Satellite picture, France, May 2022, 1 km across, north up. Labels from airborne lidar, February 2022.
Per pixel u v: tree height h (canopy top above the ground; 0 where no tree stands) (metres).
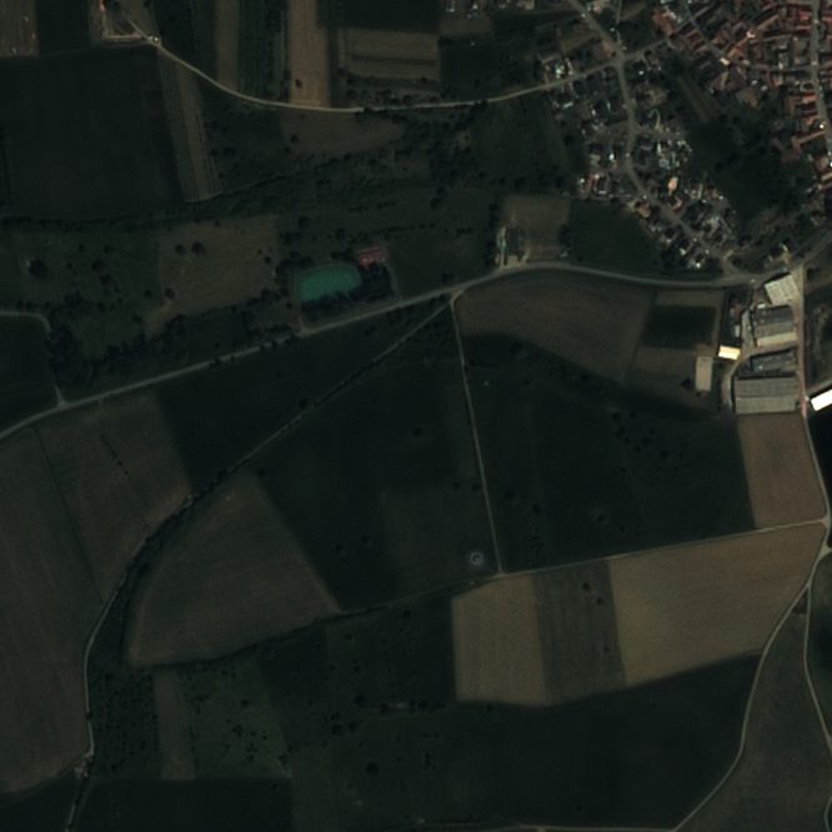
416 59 0
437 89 0
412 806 0
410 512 0
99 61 0
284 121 0
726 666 0
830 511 0
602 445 0
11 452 0
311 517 0
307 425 0
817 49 0
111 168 0
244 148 0
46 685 0
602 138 0
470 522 0
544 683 0
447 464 0
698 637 0
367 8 0
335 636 0
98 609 0
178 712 0
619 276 0
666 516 0
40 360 0
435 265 0
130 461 0
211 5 0
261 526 0
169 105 0
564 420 0
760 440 0
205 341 0
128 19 0
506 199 0
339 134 0
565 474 0
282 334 8
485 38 0
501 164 0
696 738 0
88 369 20
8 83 0
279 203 9
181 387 0
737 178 0
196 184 0
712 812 0
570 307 0
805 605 0
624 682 0
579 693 0
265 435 0
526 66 0
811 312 0
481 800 0
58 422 0
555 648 0
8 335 0
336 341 0
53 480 0
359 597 0
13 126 0
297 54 0
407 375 0
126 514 0
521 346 12
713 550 0
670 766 0
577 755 0
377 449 0
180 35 0
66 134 0
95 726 7
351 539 0
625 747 0
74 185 0
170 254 0
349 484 0
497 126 0
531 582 0
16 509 0
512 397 0
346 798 0
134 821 0
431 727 0
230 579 0
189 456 0
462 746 0
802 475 0
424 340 0
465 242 0
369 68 0
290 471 0
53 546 0
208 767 0
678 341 0
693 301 0
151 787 0
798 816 0
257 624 0
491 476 0
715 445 0
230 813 0
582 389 0
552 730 0
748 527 0
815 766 0
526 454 0
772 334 0
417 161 0
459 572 0
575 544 0
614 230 0
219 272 0
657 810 0
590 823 0
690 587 0
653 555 0
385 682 0
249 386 0
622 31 9
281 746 0
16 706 0
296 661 0
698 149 0
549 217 0
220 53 0
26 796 0
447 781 0
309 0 0
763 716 0
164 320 0
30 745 0
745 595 0
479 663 0
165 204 0
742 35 0
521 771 0
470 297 0
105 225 9
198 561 0
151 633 0
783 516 0
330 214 0
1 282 0
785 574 0
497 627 0
